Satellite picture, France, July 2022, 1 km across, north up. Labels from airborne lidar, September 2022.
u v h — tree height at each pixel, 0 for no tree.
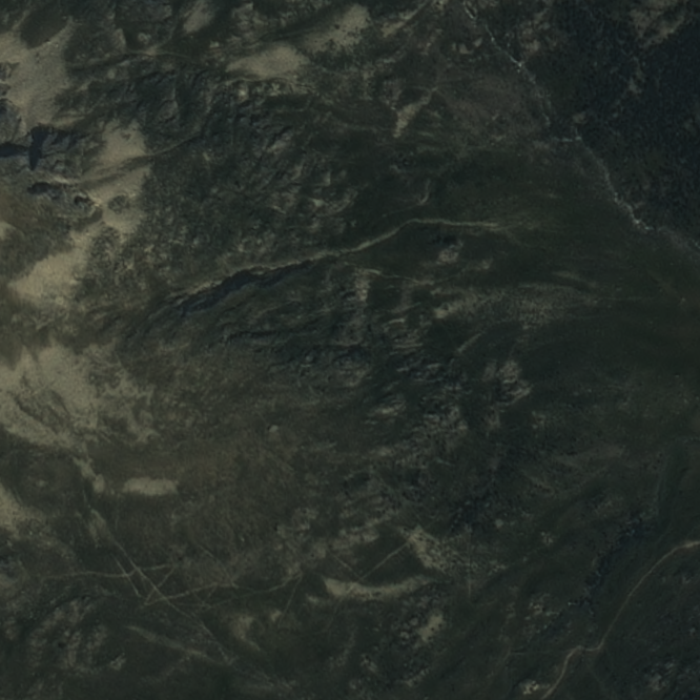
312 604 0
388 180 0
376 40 0
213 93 0
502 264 0
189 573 0
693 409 0
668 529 0
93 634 0
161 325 0
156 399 0
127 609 0
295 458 0
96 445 0
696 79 10
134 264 0
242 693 0
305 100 0
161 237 0
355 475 0
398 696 0
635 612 0
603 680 0
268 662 0
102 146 0
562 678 0
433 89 0
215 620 0
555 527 0
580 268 0
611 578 0
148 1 0
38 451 0
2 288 0
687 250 0
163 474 0
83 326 0
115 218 0
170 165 0
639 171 0
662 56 12
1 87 0
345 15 0
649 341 0
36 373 0
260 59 0
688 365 0
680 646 0
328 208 0
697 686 0
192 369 0
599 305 0
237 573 0
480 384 0
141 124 0
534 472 0
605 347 0
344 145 0
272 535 0
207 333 0
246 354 0
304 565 0
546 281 0
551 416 0
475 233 0
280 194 0
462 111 0
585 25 6
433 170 0
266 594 0
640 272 0
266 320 0
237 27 0
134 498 0
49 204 0
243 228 0
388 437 0
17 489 0
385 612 0
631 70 7
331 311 0
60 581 0
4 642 0
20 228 0
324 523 0
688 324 0
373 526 0
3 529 0
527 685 0
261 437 0
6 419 0
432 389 0
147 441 0
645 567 0
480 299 0
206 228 0
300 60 0
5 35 0
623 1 0
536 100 0
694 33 10
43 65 0
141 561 0
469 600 0
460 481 0
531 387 0
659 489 0
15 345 0
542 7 6
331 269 0
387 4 0
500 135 0
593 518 0
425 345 0
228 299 0
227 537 0
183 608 0
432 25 0
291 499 0
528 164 0
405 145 0
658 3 0
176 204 0
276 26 0
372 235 0
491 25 0
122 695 0
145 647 0
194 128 0
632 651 0
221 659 0
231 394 0
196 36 0
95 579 0
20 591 0
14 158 0
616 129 8
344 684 0
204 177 0
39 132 0
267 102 0
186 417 0
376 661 0
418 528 0
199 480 0
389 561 0
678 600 0
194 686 0
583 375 0
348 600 0
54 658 0
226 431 0
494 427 0
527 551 0
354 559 0
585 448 0
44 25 0
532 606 0
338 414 0
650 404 0
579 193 0
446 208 0
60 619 0
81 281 0
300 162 0
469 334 0
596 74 7
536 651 0
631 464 0
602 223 0
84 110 0
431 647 0
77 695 0
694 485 0
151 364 0
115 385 0
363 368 0
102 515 0
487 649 0
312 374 0
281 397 0
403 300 0
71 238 0
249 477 0
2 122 0
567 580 0
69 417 0
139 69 0
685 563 0
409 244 0
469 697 0
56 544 0
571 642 0
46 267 0
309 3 0
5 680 0
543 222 0
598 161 0
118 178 0
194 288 0
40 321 0
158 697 0
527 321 0
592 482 0
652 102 10
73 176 0
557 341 0
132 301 0
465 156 0
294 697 0
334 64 0
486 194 0
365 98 0
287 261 0
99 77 0
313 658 0
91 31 0
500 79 0
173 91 0
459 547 0
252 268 0
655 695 0
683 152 6
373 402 0
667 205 7
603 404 0
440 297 0
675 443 0
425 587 0
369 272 0
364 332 0
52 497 0
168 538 0
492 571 0
